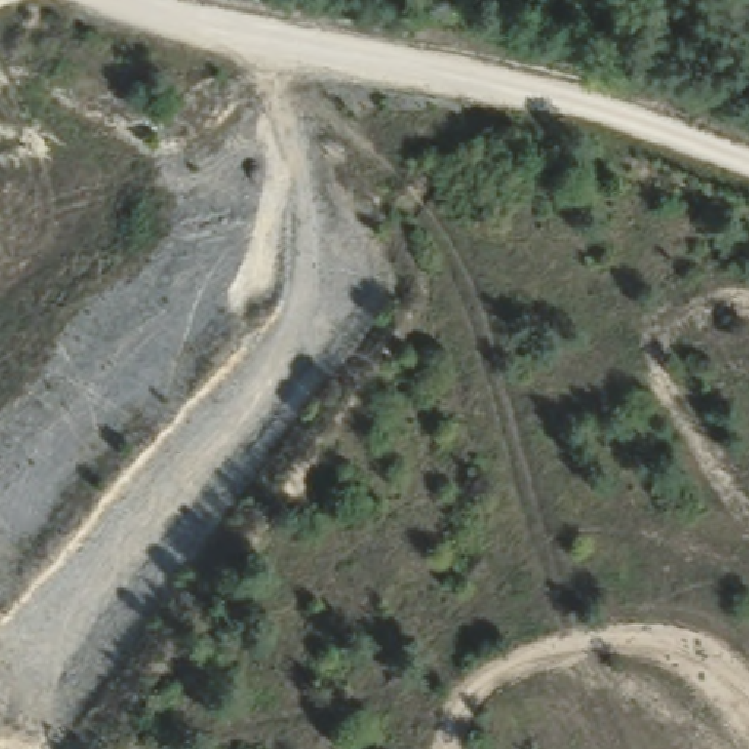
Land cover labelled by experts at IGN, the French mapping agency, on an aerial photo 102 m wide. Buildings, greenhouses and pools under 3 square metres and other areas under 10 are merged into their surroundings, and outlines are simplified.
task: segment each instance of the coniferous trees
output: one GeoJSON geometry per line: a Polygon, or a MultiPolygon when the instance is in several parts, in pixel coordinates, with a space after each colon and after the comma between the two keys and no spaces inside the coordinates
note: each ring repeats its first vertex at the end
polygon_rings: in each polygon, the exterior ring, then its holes
{"type": "Polygon", "coordinates": [[[688,6],[688,12],[679,20],[667,23],[667,47],[655,53],[647,79],[676,76],[679,88],[673,99],[699,99],[714,123],[729,120],[734,129],[743,129],[749,135],[749,0],[702,0],[699,9],[688,6]]]}

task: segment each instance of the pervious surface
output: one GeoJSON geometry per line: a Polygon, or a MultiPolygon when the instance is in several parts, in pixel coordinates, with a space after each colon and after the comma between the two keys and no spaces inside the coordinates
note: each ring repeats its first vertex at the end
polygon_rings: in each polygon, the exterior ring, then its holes
{"type": "Polygon", "coordinates": [[[301,132],[301,123],[296,120],[290,102],[290,85],[310,73],[313,79],[369,82],[375,88],[418,88],[445,97],[465,97],[468,102],[494,108],[524,108],[530,99],[544,99],[559,114],[594,120],[638,138],[693,155],[699,161],[711,161],[749,178],[749,146],[699,132],[673,117],[652,114],[632,102],[591,94],[579,85],[506,70],[497,64],[483,64],[468,56],[427,53],[389,41],[354,32],[293,26],[284,20],[272,18],[240,15],[181,0],[70,0],[85,6],[91,15],[111,18],[117,23],[161,38],[173,38],[199,50],[228,56],[252,73],[255,88],[263,97],[263,111],[246,111],[240,126],[225,138],[222,149],[205,155],[196,164],[199,173],[184,170],[181,152],[155,158],[158,187],[176,193],[170,219],[173,231],[161,240],[161,246],[152,252],[149,263],[140,269],[135,281],[117,281],[105,293],[85,298],[85,310],[64,328],[44,372],[32,383],[26,383],[15,401],[9,401],[0,410],[0,559],[12,559],[18,550],[18,538],[35,535],[41,530],[64,483],[76,480],[76,468],[91,465],[108,448],[108,442],[99,433],[108,415],[129,404],[138,407],[152,386],[170,386],[176,380],[184,342],[214,319],[214,310],[219,304],[240,310],[249,298],[269,290],[275,272],[281,214],[301,217],[296,281],[284,290],[272,313],[263,316],[260,325],[249,331],[240,339],[240,345],[217,363],[217,369],[152,436],[152,442],[140,448],[135,459],[102,489],[99,500],[85,515],[85,521],[61,541],[50,562],[26,582],[23,594],[0,614],[0,749],[56,749],[64,737],[64,729],[76,705],[94,690],[97,679],[108,670],[105,658],[114,650],[117,638],[143,611],[146,594],[164,582],[161,568],[146,556],[146,550],[161,541],[167,524],[181,512],[181,506],[190,506],[199,497],[214,471],[269,415],[272,401],[278,398],[278,383],[290,375],[290,363],[298,354],[322,354],[331,328],[339,325],[354,307],[351,287],[366,281],[369,260],[377,260],[383,255],[377,237],[357,222],[354,196],[336,181],[336,164],[328,161],[331,143],[307,140],[307,135],[301,132]]]}
{"type": "Polygon", "coordinates": [[[676,386],[673,377],[664,372],[670,360],[679,360],[673,342],[679,342],[688,325],[705,328],[711,322],[711,310],[717,301],[734,304],[734,310],[743,319],[749,319],[749,290],[705,290],[685,307],[670,301],[655,307],[647,304],[647,313],[641,316],[641,339],[650,342],[650,357],[655,360],[655,366],[650,366],[650,383],[670,424],[682,433],[717,494],[731,483],[731,474],[723,468],[723,448],[708,442],[696,430],[685,389],[676,386]]]}
{"type": "Polygon", "coordinates": [[[468,696],[480,696],[492,693],[500,682],[521,679],[535,670],[573,667],[591,652],[591,647],[609,644],[620,655],[652,658],[670,673],[679,673],[723,714],[726,726],[731,729],[731,737],[743,749],[749,749],[749,670],[723,641],[711,638],[708,632],[664,623],[623,623],[582,629],[538,638],[503,655],[486,661],[471,676],[465,676],[448,690],[445,699],[448,714],[462,717],[468,717],[468,696]]]}

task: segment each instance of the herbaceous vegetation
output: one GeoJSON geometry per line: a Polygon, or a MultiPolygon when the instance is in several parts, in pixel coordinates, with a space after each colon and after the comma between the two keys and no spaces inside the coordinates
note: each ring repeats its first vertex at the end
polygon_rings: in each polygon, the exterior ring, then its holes
{"type": "Polygon", "coordinates": [[[331,23],[307,20],[298,9],[290,12],[284,20],[293,26],[354,32],[351,20],[345,18],[331,23]]]}
{"type": "Polygon", "coordinates": [[[714,123],[699,99],[673,99],[679,88],[676,76],[647,79],[620,76],[617,47],[606,38],[594,41],[597,53],[588,53],[573,67],[573,73],[550,70],[544,64],[506,64],[483,26],[471,32],[439,32],[421,29],[413,18],[404,18],[404,26],[389,41],[427,53],[468,56],[483,64],[497,64],[506,70],[579,85],[591,94],[632,102],[652,114],[673,117],[699,132],[749,146],[749,135],[743,129],[734,129],[729,120],[714,123]]]}
{"type": "Polygon", "coordinates": [[[260,0],[181,0],[240,15],[272,18],[275,12],[260,0]]]}
{"type": "Polygon", "coordinates": [[[652,658],[620,655],[609,644],[591,647],[591,652],[573,667],[535,670],[521,679],[500,682],[492,693],[480,696],[480,726],[492,749],[743,749],[731,737],[731,729],[726,726],[723,714],[679,673],[670,673],[652,658]]]}
{"type": "Polygon", "coordinates": [[[146,702],[149,696],[158,696],[155,679],[170,670],[176,658],[176,641],[187,638],[190,632],[208,629],[208,620],[202,617],[202,609],[190,594],[190,582],[196,576],[190,559],[202,550],[205,538],[217,530],[217,524],[234,527],[243,538],[249,538],[260,565],[278,571],[281,588],[263,597],[260,603],[266,617],[281,629],[281,641],[269,658],[257,658],[257,652],[246,650],[231,632],[214,641],[199,641],[193,647],[193,661],[217,661],[225,664],[231,673],[231,693],[225,696],[222,708],[202,708],[187,696],[176,702],[173,711],[178,711],[187,723],[196,726],[196,740],[187,737],[193,749],[339,749],[331,734],[339,734],[342,723],[360,711],[380,720],[383,740],[375,749],[459,749],[459,737],[453,737],[453,731],[462,717],[448,714],[445,699],[448,690],[465,676],[451,664],[451,652],[456,632],[465,623],[474,623],[480,635],[486,635],[503,655],[538,638],[582,629],[591,609],[597,609],[606,597],[617,600],[620,609],[614,614],[623,623],[664,623],[708,632],[711,638],[723,641],[749,670],[749,319],[743,319],[731,334],[717,331],[711,322],[705,328],[688,325],[679,342],[702,348],[708,354],[708,363],[720,366],[720,377],[714,383],[705,383],[705,392],[720,392],[731,407],[729,430],[734,433],[734,442],[726,442],[723,448],[723,468],[731,474],[731,483],[717,494],[682,433],[670,424],[664,430],[664,442],[673,448],[673,462],[655,480],[652,489],[644,492],[641,483],[647,468],[623,468],[606,445],[597,442],[597,436],[582,445],[582,451],[585,459],[600,462],[603,477],[597,477],[594,486],[588,486],[585,480],[573,477],[559,459],[556,442],[544,433],[541,418],[535,415],[535,407],[530,401],[532,392],[559,398],[571,389],[600,386],[609,372],[623,372],[629,377],[650,383],[650,366],[655,366],[655,360],[650,357],[650,342],[641,339],[641,316],[647,313],[647,304],[644,296],[626,298],[614,284],[611,272],[591,272],[591,266],[606,255],[606,246],[588,246],[576,231],[582,225],[591,225],[588,208],[565,208],[562,217],[553,217],[541,222],[541,228],[535,228],[532,196],[535,187],[559,190],[568,170],[573,170],[576,158],[600,158],[617,178],[617,184],[629,184],[641,193],[641,202],[650,211],[661,205],[661,190],[647,181],[650,164],[629,155],[629,146],[638,138],[594,120],[559,114],[544,99],[530,99],[524,108],[494,108],[468,102],[465,97],[445,97],[418,88],[375,88],[369,82],[313,79],[310,73],[290,85],[290,102],[296,120],[301,123],[301,132],[307,135],[307,140],[331,143],[328,161],[336,164],[336,181],[354,196],[357,222],[377,237],[383,255],[377,260],[369,260],[366,281],[351,287],[354,307],[339,325],[331,328],[322,354],[298,354],[290,363],[290,375],[278,383],[278,398],[272,401],[269,415],[214,471],[199,497],[190,506],[181,506],[181,512],[167,524],[161,541],[146,550],[146,556],[161,568],[164,582],[146,594],[143,611],[117,638],[114,650],[105,658],[108,670],[97,679],[94,690],[76,705],[64,729],[64,737],[56,749],[158,749],[158,714],[149,711],[146,702]],[[492,129],[494,135],[512,129],[518,140],[527,140],[535,132],[535,138],[541,140],[538,155],[524,158],[518,173],[503,184],[503,202],[497,202],[486,219],[445,222],[445,208],[430,205],[436,187],[424,190],[424,178],[418,176],[418,164],[413,158],[424,158],[427,152],[451,155],[459,146],[468,146],[483,129],[492,129]],[[442,506],[453,503],[459,492],[453,453],[439,448],[439,433],[421,430],[418,410],[410,407],[398,383],[398,375],[415,366],[418,351],[453,354],[453,389],[433,410],[442,410],[442,427],[459,424],[456,453],[462,456],[474,451],[477,465],[489,480],[489,494],[465,509],[462,532],[456,532],[445,544],[436,544],[430,530],[439,524],[442,506]],[[342,480],[369,483],[369,489],[380,494],[380,503],[372,506],[380,518],[380,527],[372,535],[354,535],[336,518],[322,515],[319,506],[304,494],[304,480],[310,468],[322,462],[328,448],[345,456],[345,465],[339,471],[342,480]],[[275,527],[287,515],[319,515],[319,532],[313,538],[293,541],[275,527]],[[453,585],[439,582],[433,571],[448,571],[459,553],[480,553],[480,565],[456,591],[453,585]],[[427,670],[427,685],[413,693],[404,690],[398,679],[410,664],[410,644],[427,647],[430,652],[442,655],[427,670]]]}
{"type": "Polygon", "coordinates": [[[222,149],[225,138],[240,126],[246,111],[263,111],[263,97],[255,88],[252,73],[228,56],[199,50],[173,38],[161,38],[117,23],[111,18],[91,15],[85,6],[70,0],[0,0],[0,410],[9,401],[15,401],[26,383],[32,383],[44,372],[64,328],[85,310],[85,298],[105,293],[117,281],[135,281],[140,269],[149,263],[152,252],[161,246],[161,240],[173,231],[170,219],[176,193],[158,187],[155,158],[181,152],[184,170],[199,173],[196,164],[205,155],[222,149]],[[184,111],[178,117],[152,120],[129,108],[126,99],[135,94],[135,88],[152,85],[155,79],[181,94],[184,111]]]}
{"type": "Polygon", "coordinates": [[[99,500],[102,489],[135,459],[140,448],[152,442],[152,436],[217,369],[217,363],[240,345],[240,339],[249,331],[260,325],[263,316],[272,313],[284,290],[296,281],[301,217],[281,214],[275,272],[269,290],[249,298],[240,310],[219,304],[214,310],[214,319],[184,342],[176,380],[170,386],[152,386],[138,407],[129,404],[108,415],[99,433],[108,442],[108,448],[91,465],[76,468],[76,480],[64,483],[41,530],[35,535],[18,538],[18,550],[12,559],[0,559],[0,614],[23,594],[26,582],[50,562],[61,541],[85,521],[85,515],[99,500]]]}

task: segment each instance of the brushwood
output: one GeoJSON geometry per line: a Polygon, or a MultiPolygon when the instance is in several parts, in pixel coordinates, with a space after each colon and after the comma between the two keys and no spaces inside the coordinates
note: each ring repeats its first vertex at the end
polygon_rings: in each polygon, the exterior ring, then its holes
{"type": "Polygon", "coordinates": [[[527,140],[518,140],[512,129],[494,135],[492,129],[483,129],[468,146],[459,146],[451,155],[427,152],[424,158],[413,158],[418,164],[418,176],[424,178],[424,190],[436,187],[430,205],[445,208],[445,222],[486,219],[497,202],[503,202],[503,184],[518,173],[524,158],[538,155],[541,140],[535,138],[535,132],[527,140]]]}
{"type": "Polygon", "coordinates": [[[749,178],[711,161],[699,161],[693,155],[638,138],[629,146],[629,155],[650,164],[647,181],[661,190],[661,205],[682,202],[685,190],[696,190],[708,199],[723,199],[737,217],[749,219],[749,178]]]}

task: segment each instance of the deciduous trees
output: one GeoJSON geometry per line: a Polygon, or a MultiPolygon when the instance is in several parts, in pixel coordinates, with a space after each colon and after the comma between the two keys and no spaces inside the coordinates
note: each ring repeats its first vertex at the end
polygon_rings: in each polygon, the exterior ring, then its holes
{"type": "Polygon", "coordinates": [[[442,655],[430,652],[427,647],[410,644],[410,664],[398,679],[404,690],[413,693],[427,685],[427,670],[442,655]]]}
{"type": "Polygon", "coordinates": [[[462,532],[465,509],[489,494],[489,480],[477,465],[474,451],[462,456],[456,453],[459,424],[442,427],[442,410],[433,410],[453,389],[453,354],[418,351],[415,366],[398,375],[398,383],[410,407],[418,410],[421,430],[439,433],[439,448],[453,453],[459,492],[453,503],[442,506],[439,524],[430,530],[436,544],[445,544],[456,532],[462,532]]]}
{"type": "Polygon", "coordinates": [[[331,734],[339,749],[375,749],[383,740],[380,720],[360,711],[342,723],[339,734],[331,734]]]}
{"type": "Polygon", "coordinates": [[[597,609],[591,609],[582,629],[623,623],[614,614],[620,609],[617,600],[606,597],[597,609]]]}
{"type": "Polygon", "coordinates": [[[448,571],[433,571],[439,582],[453,585],[456,591],[480,565],[480,553],[459,553],[448,571]]]}
{"type": "Polygon", "coordinates": [[[568,170],[559,190],[535,187],[532,196],[535,228],[541,228],[541,222],[553,217],[562,217],[565,208],[588,208],[591,225],[582,225],[576,231],[588,246],[606,246],[606,255],[591,266],[591,272],[611,272],[614,284],[626,298],[644,296],[647,304],[655,307],[670,301],[685,307],[705,290],[749,290],[749,219],[737,217],[723,199],[708,199],[696,190],[685,190],[682,202],[661,205],[650,211],[641,202],[641,193],[629,184],[617,184],[617,178],[600,158],[576,158],[573,170],[568,170]]]}
{"type": "Polygon", "coordinates": [[[354,535],[372,535],[380,527],[380,518],[372,506],[380,503],[380,494],[369,489],[369,483],[342,480],[339,471],[345,465],[345,456],[328,448],[322,462],[310,468],[304,480],[304,494],[319,506],[322,515],[336,518],[354,535]]]}
{"type": "Polygon", "coordinates": [[[462,717],[453,731],[453,737],[459,737],[459,749],[492,749],[480,726],[480,696],[468,696],[468,717],[462,717]]]}
{"type": "Polygon", "coordinates": [[[717,301],[711,310],[711,322],[717,331],[731,334],[743,319],[734,310],[734,304],[717,301]]]}
{"type": "Polygon", "coordinates": [[[275,527],[293,541],[313,538],[319,532],[319,515],[287,515],[275,527]]]}
{"type": "Polygon", "coordinates": [[[451,664],[465,676],[471,676],[486,661],[503,655],[486,635],[480,635],[474,623],[465,623],[456,632],[451,652],[451,664]]]}
{"type": "Polygon", "coordinates": [[[152,85],[135,88],[135,94],[126,99],[129,108],[152,120],[178,117],[184,111],[181,94],[155,79],[152,85]]]}
{"type": "Polygon", "coordinates": [[[705,383],[714,383],[720,377],[720,366],[708,363],[708,354],[702,348],[679,342],[673,342],[679,360],[670,360],[664,372],[673,377],[676,386],[685,389],[696,430],[708,442],[723,448],[726,442],[734,442],[734,433],[729,430],[731,407],[720,392],[705,392],[705,383]]]}
{"type": "Polygon", "coordinates": [[[647,468],[641,483],[644,492],[652,489],[655,480],[673,462],[673,448],[664,442],[664,430],[670,424],[650,383],[629,377],[623,372],[609,372],[600,386],[571,389],[559,398],[532,392],[530,401],[535,407],[535,415],[541,418],[544,433],[556,442],[559,459],[573,477],[585,480],[588,486],[594,486],[597,477],[603,477],[600,462],[585,459],[582,451],[582,445],[597,436],[597,442],[606,445],[623,468],[647,468]]]}
{"type": "Polygon", "coordinates": [[[275,12],[272,18],[284,20],[290,12],[298,9],[307,20],[331,23],[345,18],[351,20],[354,32],[389,41],[404,26],[404,18],[413,18],[421,29],[439,32],[471,32],[483,26],[506,64],[544,64],[550,70],[573,73],[573,67],[588,53],[597,53],[594,41],[606,38],[617,47],[620,76],[647,79],[655,53],[667,47],[667,23],[679,20],[688,12],[688,6],[699,9],[702,0],[260,0],[275,12]]]}
{"type": "Polygon", "coordinates": [[[217,524],[217,530],[205,538],[202,550],[190,559],[196,576],[190,582],[190,594],[202,609],[202,617],[208,620],[208,629],[190,632],[187,638],[176,641],[176,658],[170,670],[155,679],[158,696],[149,696],[146,702],[149,711],[158,714],[158,749],[193,749],[187,737],[196,740],[196,726],[187,723],[178,711],[173,711],[176,702],[187,696],[202,708],[222,708],[225,696],[231,693],[231,673],[225,664],[217,661],[193,661],[193,647],[199,641],[214,641],[231,632],[246,650],[257,652],[257,658],[269,658],[281,641],[281,629],[266,617],[260,603],[263,597],[281,588],[278,571],[260,565],[249,538],[243,538],[234,527],[217,524]]]}

